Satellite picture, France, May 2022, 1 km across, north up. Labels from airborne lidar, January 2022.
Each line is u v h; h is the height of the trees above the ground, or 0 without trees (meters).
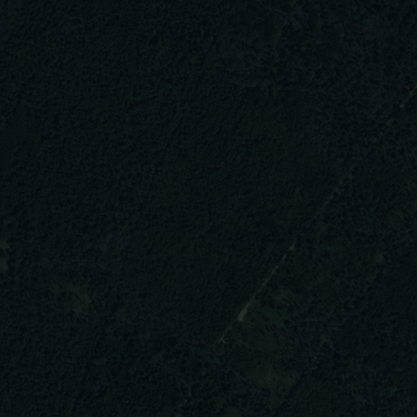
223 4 26
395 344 21
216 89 21
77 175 22
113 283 16
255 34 29
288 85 27
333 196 21
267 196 24
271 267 23
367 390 29
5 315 21
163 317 21
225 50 34
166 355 11
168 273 24
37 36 15
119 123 13
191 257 23
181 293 0
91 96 22
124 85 15
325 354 23
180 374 26
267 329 33
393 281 23
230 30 17
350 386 6
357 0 39
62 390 22
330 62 29
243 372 10
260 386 33
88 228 23
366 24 34
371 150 25
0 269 0
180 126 22
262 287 13
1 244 0
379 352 25
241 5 30
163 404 19
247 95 40
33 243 17
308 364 29
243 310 28
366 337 21
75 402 11
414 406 31
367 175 26
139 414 28
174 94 26
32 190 16
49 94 24
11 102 0
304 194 22
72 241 8
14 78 22
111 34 22
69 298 11
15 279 14
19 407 23
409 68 17
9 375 15
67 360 27
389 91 33
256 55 35
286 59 42
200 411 28
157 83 13
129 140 26
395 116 34
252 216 20
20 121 23
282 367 15
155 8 0
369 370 16
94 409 25
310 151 13
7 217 33
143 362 14
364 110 34
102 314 22
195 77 12
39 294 26
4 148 21
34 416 18
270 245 29
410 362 20
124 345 10
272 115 26
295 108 32
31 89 25
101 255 23
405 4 33
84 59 22
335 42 38
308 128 32
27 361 23
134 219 15
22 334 24
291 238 13
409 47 29
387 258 26
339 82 34
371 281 17
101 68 16
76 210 10
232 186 9
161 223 22
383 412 25
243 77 21
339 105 12
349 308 27
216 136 22
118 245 22
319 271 30
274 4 41
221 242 20
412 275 19
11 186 16
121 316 34
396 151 20
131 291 21
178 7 27
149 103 23
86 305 0
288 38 43
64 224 28
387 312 20
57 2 25
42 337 20
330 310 28
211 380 8
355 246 30
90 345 13
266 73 20
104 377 30
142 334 32
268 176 23
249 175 25
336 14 38
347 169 30
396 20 30
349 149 27
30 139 24
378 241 29
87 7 13
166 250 25
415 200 28
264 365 0
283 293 0
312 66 22
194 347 23
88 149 8
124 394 30
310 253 30
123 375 13
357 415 27
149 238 19
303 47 35
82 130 25
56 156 21
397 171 20
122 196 7
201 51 27
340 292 28
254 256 21
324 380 25
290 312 26
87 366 22
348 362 32
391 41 31
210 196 0
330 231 15
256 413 31
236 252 16
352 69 34
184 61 28
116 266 25
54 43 11
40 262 31
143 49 26
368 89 33
